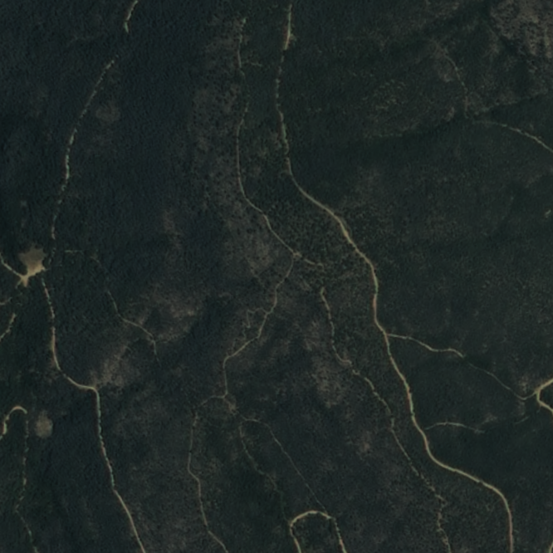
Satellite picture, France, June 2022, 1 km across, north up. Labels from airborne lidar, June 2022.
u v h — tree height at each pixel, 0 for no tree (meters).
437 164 6
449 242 8
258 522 8
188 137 6
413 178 7
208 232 10
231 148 6
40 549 6
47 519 11
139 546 7
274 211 9
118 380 0
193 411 6
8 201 6
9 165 14
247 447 8
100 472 12
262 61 10
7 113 7
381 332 5
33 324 12
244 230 0
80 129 8
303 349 7
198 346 11
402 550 6
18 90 8
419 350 7
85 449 10
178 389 10
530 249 8
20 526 9
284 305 0
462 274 7
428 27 6
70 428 11
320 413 6
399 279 7
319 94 10
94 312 9
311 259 6
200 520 6
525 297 6
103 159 8
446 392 6
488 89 8
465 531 6
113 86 7
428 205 6
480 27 7
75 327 11
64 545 9
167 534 0
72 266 7
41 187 7
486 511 8
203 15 6
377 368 6
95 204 13
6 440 9
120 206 10
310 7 11
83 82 7
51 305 6
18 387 9
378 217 6
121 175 8
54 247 9
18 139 6
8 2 10
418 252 6
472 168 6
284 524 6
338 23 9
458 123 7
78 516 8
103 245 8
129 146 11
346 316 6
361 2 11
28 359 7
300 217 6
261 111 8
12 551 7
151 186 10
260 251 0
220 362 6
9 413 10
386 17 7
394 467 0
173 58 11
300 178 10
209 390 6
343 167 7
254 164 7
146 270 9
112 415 7
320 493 7
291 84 9
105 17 6
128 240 11
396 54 7
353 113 8
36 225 9
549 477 7
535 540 9
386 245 7
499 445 6
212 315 11
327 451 6
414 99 8
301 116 8
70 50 8
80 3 7
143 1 8
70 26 6
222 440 7
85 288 10
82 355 5
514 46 6
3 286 7
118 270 12
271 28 9
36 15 9
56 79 9
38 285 9
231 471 8
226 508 8
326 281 7
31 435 7
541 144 6
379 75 9
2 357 5
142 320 0
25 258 0
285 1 7
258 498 6
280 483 9
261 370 6
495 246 6
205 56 9
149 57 8
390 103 7
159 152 9
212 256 9
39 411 6
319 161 14
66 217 10
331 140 6
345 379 5
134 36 11
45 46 15
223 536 6
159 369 6
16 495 10
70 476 6
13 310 10
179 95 12
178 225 7
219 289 8
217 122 6
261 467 9
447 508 6
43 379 9
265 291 6
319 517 8
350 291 6
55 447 7
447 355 0
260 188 6
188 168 8
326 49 8
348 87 10
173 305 0
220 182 7
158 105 11
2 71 10
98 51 8
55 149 6
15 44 8
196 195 6
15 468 13
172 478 6
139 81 10
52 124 7
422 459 6
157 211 10
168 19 7
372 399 7
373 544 0
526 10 0
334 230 6
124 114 7
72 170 7
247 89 8
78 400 6
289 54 10
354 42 7
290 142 8
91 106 6
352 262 8
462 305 7
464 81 7
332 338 7
